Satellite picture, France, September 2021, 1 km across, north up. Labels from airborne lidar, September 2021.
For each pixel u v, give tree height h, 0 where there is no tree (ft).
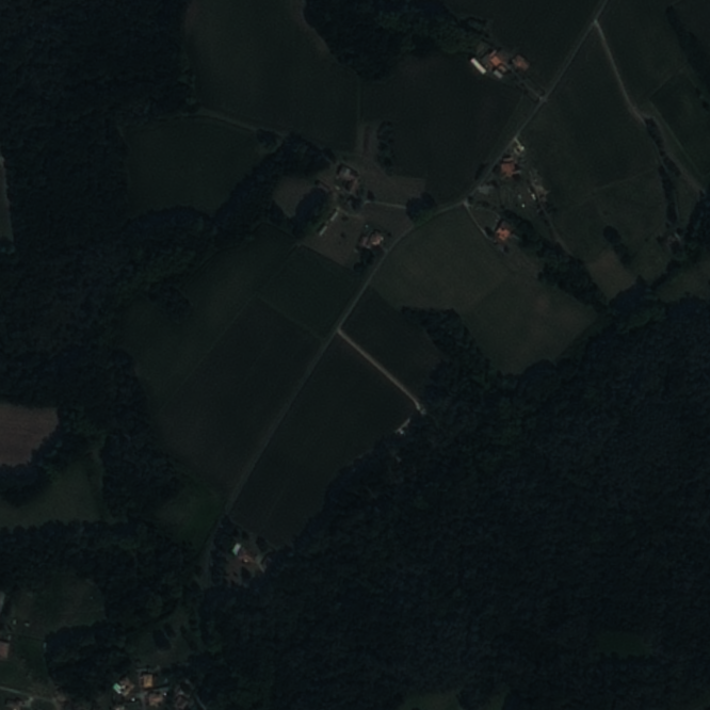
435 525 79
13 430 0
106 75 80
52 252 67
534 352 0
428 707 0
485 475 74
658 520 54
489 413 91
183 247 108
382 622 80
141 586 67
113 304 80
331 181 0
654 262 0
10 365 26
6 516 0
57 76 68
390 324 0
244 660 88
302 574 89
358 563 96
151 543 59
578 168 0
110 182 81
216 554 23
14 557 94
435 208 73
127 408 60
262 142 57
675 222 75
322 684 72
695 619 69
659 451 55
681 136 0
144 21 87
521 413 59
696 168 0
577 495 78
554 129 0
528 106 0
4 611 42
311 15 60
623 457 73
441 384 33
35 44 42
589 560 85
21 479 67
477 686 74
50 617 0
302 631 59
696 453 67
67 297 84
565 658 68
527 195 0
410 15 96
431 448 47
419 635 93
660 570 56
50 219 81
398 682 86
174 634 42
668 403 65
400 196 0
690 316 95
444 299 0
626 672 64
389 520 91
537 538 79
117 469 81
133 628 17
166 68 93
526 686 67
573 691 68
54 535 77
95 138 72
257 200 75
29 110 62
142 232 85
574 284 65
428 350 0
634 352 97
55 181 79
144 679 0
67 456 76
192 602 63
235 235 58
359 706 82
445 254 0
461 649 37
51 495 0
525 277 0
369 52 81
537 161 0
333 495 49
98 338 92
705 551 63
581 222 0
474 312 0
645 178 0
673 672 69
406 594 57
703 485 65
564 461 94
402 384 0
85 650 71
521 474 69
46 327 20
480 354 45
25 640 0
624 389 75
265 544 36
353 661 82
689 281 0
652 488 54
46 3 36
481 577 40
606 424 88
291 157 67
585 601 95
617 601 76
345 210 0
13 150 70
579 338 0
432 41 80
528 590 61
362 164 0
